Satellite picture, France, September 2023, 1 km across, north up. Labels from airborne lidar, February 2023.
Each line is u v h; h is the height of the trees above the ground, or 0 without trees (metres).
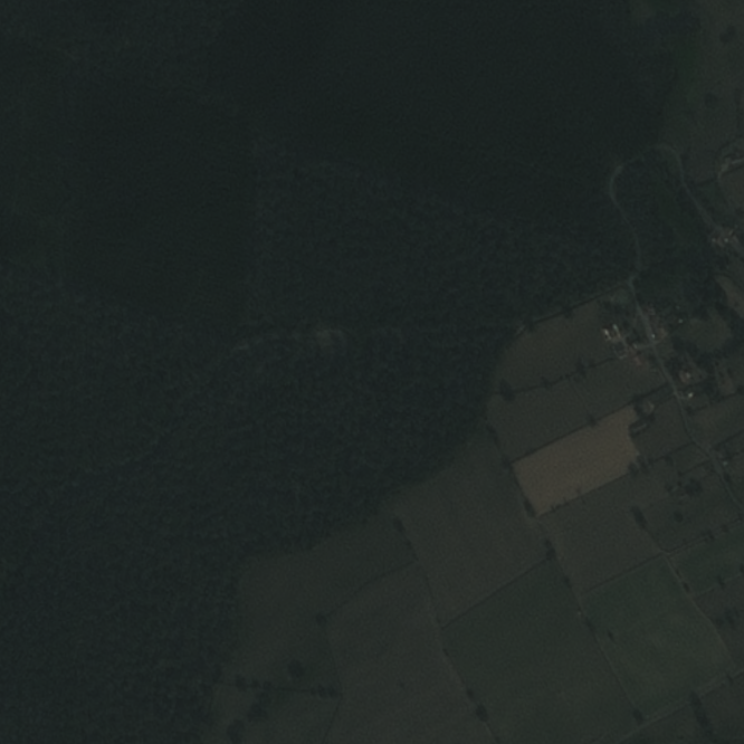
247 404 24
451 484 0
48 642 21
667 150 0
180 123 10
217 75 13
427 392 26
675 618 0
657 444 0
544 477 0
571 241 9
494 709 0
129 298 7
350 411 26
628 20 13
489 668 0
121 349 29
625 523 0
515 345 0
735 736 0
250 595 0
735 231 8
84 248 7
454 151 5
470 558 0
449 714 0
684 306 0
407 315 10
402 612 0
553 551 9
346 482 22
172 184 9
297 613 0
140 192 11
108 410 24
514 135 10
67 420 21
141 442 20
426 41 12
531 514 10
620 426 0
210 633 17
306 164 19
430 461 23
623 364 0
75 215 9
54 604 18
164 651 27
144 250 7
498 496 0
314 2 13
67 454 18
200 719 23
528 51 10
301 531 26
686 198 13
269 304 23
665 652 0
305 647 0
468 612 0
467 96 14
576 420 0
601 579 0
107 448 15
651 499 0
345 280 26
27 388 22
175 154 11
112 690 22
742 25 0
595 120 10
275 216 28
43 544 27
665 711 0
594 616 0
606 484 0
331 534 11
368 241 25
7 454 19
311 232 25
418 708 0
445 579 0
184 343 24
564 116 10
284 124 12
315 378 17
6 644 20
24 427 18
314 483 19
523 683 0
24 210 0
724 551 0
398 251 25
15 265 24
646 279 10
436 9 12
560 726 0
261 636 0
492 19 13
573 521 0
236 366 19
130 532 25
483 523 0
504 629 0
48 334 17
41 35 10
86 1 23
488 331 7
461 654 0
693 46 0
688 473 0
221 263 6
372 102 13
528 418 0
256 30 14
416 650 0
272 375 27
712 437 0
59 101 0
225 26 16
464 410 27
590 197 7
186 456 26
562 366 0
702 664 0
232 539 22
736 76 0
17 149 10
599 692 0
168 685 23
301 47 16
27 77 7
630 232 12
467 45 13
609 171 7
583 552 0
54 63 0
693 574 0
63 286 29
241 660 0
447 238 21
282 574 0
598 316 0
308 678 0
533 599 0
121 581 25
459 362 29
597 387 0
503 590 0
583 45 12
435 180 6
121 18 18
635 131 9
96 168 12
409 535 0
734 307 0
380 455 20
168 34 24
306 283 24
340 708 0
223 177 7
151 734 24
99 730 20
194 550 18
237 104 10
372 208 29
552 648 0
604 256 24
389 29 13
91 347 21
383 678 0
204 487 26
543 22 9
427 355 28
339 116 7
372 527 0
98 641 17
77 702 17
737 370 0
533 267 23
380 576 0
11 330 27
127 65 19
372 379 14
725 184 0
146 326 30
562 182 6
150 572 23
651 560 0
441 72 14
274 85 13
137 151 11
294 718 0
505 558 0
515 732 0
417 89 12
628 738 0
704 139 0
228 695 0
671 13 0
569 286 21
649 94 15
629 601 0
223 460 27
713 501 0
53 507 17
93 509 18
